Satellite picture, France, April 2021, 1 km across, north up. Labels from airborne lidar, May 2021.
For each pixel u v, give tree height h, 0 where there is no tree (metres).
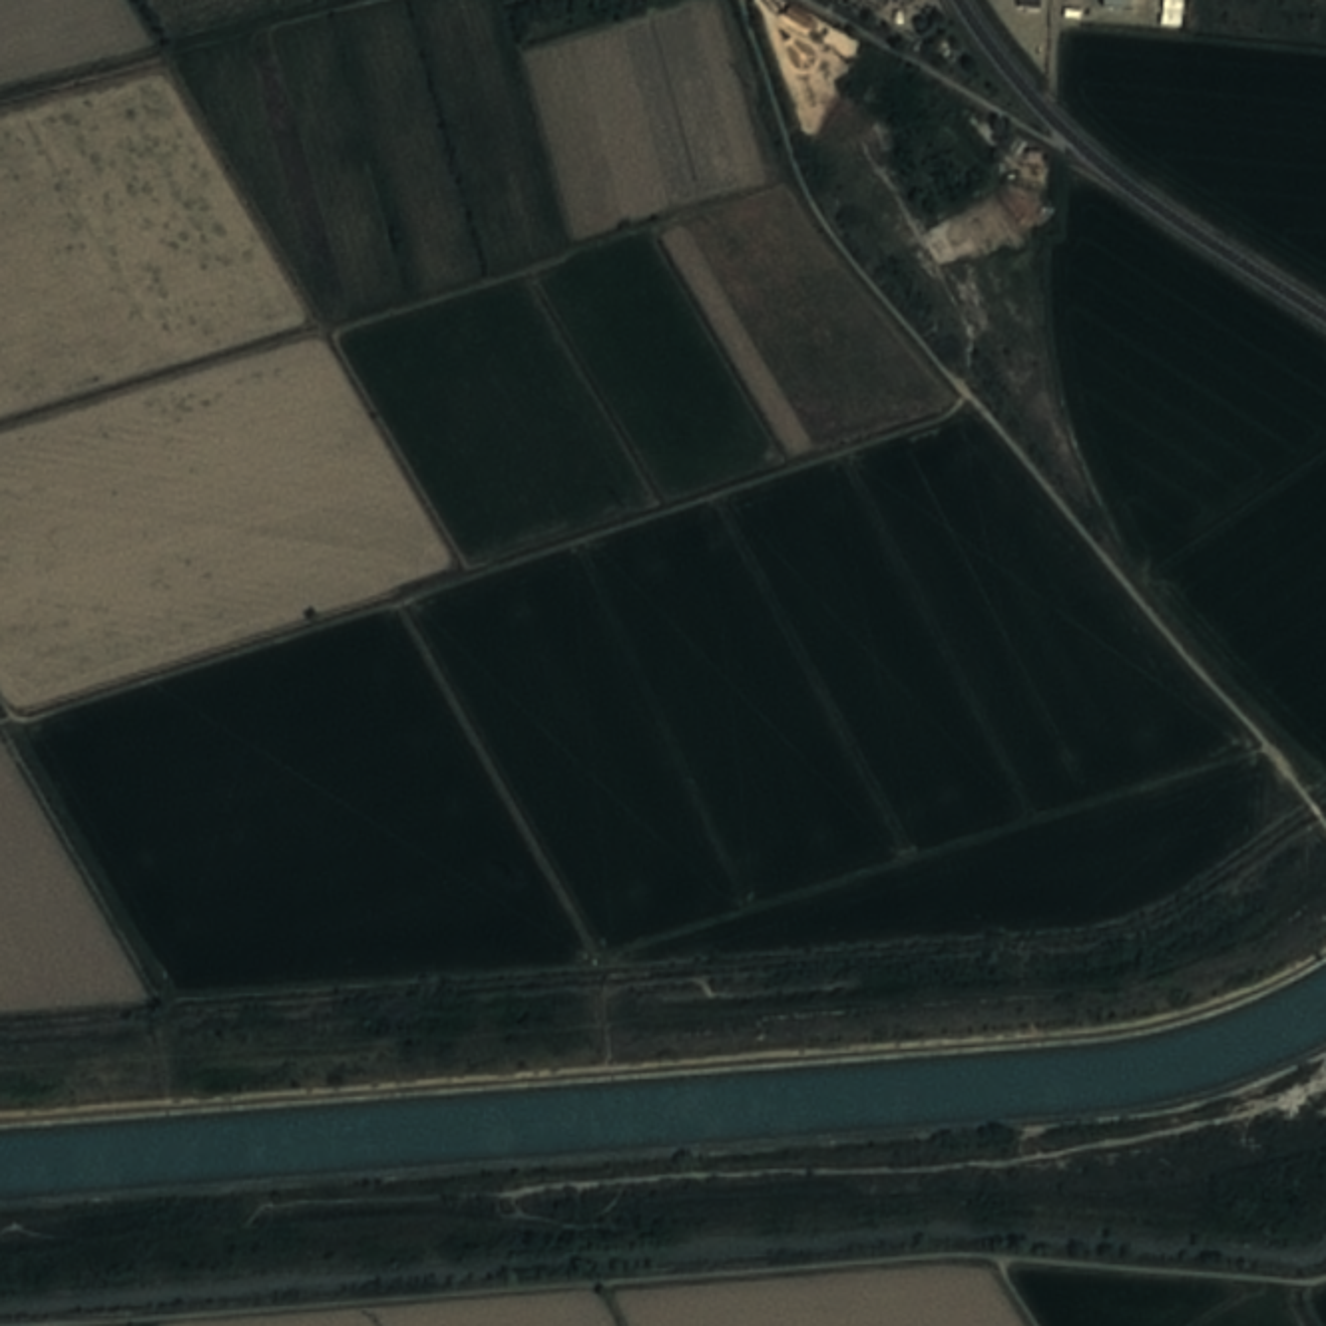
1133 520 0
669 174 0
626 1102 0
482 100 0
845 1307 0
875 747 0
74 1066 0
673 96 0
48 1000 0
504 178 0
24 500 0
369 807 0
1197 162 0
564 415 0
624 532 0
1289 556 0
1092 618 0
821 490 0
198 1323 0
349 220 0
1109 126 0
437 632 0
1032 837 0
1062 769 0
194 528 0
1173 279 0
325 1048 0
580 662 0
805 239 0
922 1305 0
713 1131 0
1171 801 0
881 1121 0
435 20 0
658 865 0
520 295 0
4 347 0
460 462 0
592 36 0
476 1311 0
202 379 0
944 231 0
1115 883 0
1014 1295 0
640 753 0
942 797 0
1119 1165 0
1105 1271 0
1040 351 0
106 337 0
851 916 0
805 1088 0
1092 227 0
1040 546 0
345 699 0
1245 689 0
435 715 0
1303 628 0
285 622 0
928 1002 0
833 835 0
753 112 0
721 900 0
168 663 0
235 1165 0
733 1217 0
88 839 0
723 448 0
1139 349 0
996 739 0
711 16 0
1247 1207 7
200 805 0
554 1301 0
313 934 0
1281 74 0
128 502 0
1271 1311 0
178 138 0
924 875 0
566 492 0
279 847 0
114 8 0
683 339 0
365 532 0
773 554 0
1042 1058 0
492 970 0
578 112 0
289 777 0
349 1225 0
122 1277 7
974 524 0
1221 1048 0
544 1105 0
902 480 0
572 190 0
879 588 0
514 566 0
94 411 0
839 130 0
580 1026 0
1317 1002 0
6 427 0
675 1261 0
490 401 0
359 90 0
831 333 0
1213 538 0
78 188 0
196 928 0
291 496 0
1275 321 0
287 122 0
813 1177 6
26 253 0
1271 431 0
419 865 0
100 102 0
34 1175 0
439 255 0
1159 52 0
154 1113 0
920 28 8
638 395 0
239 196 0
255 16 0
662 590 0
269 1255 6
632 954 0
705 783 0
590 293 0
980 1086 0
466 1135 0
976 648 0
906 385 0
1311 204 0
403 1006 8
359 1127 0
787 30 0
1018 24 0
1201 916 7
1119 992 7
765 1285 0
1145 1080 0
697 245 0
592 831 0
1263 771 0
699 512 0
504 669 0
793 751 0
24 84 0
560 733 0
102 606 0
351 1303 0
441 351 0
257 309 0
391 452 0
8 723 0
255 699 0
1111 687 0
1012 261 0
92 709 0
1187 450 0
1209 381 0
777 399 0
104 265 0
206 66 0
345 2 0
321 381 0
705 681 0
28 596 0
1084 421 0
